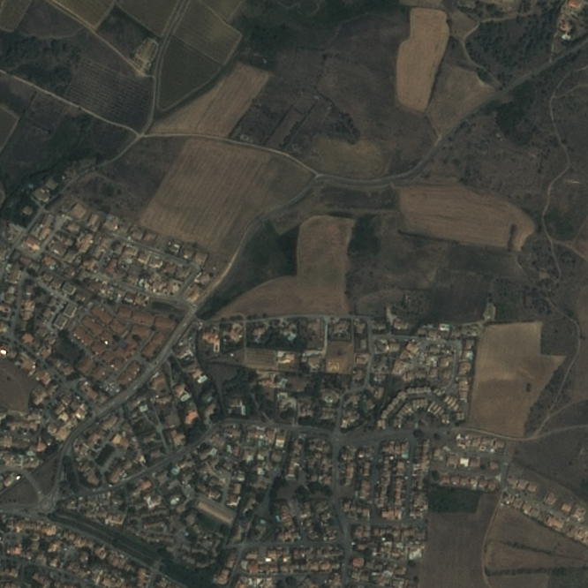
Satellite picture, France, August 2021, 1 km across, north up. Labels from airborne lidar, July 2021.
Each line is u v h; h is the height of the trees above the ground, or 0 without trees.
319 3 0
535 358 0
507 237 0
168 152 0
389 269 0
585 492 0
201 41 0
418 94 0
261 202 0
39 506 0
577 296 0
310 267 0
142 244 0
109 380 0
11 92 0
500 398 0
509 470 0
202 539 7
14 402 0
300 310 0
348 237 0
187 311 0
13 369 0
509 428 0
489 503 0
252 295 0
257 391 12
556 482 0
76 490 7
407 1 0
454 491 8
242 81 0
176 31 0
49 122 0
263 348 10
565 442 0
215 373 0
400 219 0
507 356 0
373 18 0
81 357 7
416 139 0
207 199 0
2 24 0
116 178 6
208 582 11
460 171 0
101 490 0
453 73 0
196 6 0
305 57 0
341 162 0
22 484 0
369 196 0
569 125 0
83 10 0
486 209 0
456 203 0
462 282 0
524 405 0
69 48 11
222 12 0
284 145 7
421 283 0
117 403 0
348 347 0
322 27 0
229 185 0
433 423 6
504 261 0
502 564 0
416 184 0
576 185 0
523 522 0
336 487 0
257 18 0
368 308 0
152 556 9
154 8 0
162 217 0
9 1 0
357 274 0
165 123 0
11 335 0
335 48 0
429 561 0
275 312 0
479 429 0
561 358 0
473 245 0
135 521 8
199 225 0
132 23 0
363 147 0
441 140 0
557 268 8
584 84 0
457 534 0
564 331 0
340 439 0
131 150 0
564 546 0
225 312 0
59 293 0
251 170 0
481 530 0
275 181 0
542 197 0
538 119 0
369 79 0
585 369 0
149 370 0
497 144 0
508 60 11
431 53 0
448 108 0
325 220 0
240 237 0
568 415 0
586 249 0
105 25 0
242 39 0
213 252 0
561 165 0
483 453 0
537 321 0
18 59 8
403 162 0
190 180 0
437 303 0
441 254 0
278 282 0
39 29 0
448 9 0
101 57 0
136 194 0
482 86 0
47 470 0
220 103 0
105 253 0
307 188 0
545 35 12
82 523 8
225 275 0
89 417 7
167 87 0
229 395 12
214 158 0
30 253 0
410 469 0
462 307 0
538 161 0
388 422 6
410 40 0
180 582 11
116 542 9
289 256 0
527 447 0
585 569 6
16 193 8
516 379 0
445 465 0
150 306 0
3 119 0
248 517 10
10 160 0
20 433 7
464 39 0
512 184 0
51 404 6
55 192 7
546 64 0
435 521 0
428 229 0
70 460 9
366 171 0
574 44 15
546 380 0
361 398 5
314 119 0
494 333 0
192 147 0
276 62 0
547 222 0
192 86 0
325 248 0
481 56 9
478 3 8
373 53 0
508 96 0
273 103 0
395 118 0
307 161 0
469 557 0
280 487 13
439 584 0
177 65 0
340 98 0
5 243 0
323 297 0
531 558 0
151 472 0
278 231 0
